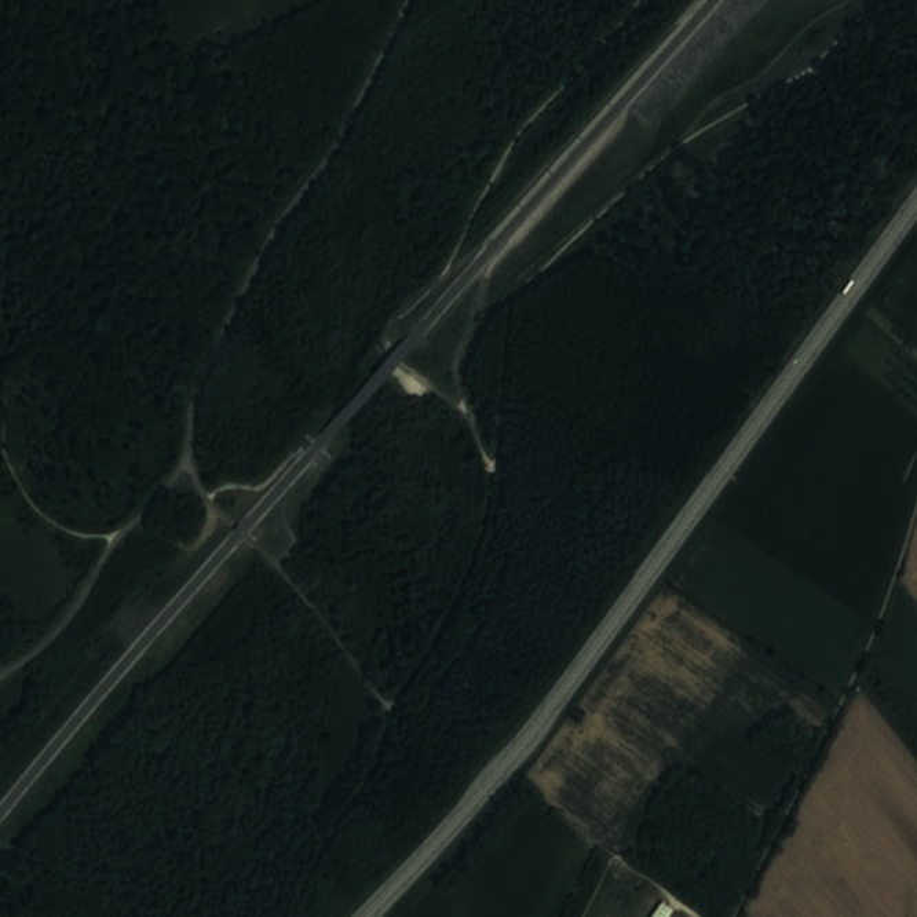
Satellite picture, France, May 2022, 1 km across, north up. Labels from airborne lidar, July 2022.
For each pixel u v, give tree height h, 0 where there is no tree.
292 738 20
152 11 23
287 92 15
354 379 13
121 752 22
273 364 17
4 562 0
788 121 23
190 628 0
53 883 17
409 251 15
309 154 16
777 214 25
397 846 9
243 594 7
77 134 24
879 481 0
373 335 10
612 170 0
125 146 23
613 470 19
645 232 33
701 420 17
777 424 0
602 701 0
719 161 0
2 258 13
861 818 0
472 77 18
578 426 18
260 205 23
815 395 0
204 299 22
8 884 28
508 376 19
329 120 15
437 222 23
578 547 22
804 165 30
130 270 23
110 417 19
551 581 28
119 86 29
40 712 17
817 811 0
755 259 27
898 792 0
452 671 20
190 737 18
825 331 0
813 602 0
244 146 25
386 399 13
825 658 0
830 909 0
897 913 0
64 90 27
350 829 28
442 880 18
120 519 6
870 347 0
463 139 16
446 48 13
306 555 14
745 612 0
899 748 0
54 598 0
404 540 22
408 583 11
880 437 0
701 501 0
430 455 18
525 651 21
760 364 17
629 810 0
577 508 27
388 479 21
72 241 25
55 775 0
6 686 0
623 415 17
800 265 27
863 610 0
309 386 16
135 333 17
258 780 8
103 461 23
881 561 0
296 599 17
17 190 28
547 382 18
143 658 0
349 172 20
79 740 0
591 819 0
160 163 24
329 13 15
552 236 0
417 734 17
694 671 0
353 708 0
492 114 25
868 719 0
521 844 0
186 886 15
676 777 16
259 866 19
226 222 22
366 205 15
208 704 16
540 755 0
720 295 23
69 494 19
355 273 16
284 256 21
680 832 21
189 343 30
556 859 0
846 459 0
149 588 8
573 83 20
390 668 16
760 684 0
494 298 0
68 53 25
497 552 12
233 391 25
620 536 24
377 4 17
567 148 0
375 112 16
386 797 24
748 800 0
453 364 0
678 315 20
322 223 20
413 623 7
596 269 20
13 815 0
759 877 14
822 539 0
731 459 0
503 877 0
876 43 31
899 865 0
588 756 0
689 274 29
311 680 18
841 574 0
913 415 0
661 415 17
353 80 17
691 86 0
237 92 24
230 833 22
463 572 11
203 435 12
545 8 21
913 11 28
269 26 14
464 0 21
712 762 0
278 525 0
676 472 14
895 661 0
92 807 23
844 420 0
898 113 29
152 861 20
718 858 23
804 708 0
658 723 0
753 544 0
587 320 19
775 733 21
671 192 30
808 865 0
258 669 18
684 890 16
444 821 0
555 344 18
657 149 0
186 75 26
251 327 19
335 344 17
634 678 0
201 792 17
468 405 7
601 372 16
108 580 6
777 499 0
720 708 0
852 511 0
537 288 16
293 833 21
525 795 21
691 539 0
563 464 25
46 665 11
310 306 15
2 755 7
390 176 17
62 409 14
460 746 19
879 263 0
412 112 11
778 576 0
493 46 19
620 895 0
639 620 0
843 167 20
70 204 23
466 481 15
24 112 29
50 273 23
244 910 26
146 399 25
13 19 30
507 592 24
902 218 0
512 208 0
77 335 24
